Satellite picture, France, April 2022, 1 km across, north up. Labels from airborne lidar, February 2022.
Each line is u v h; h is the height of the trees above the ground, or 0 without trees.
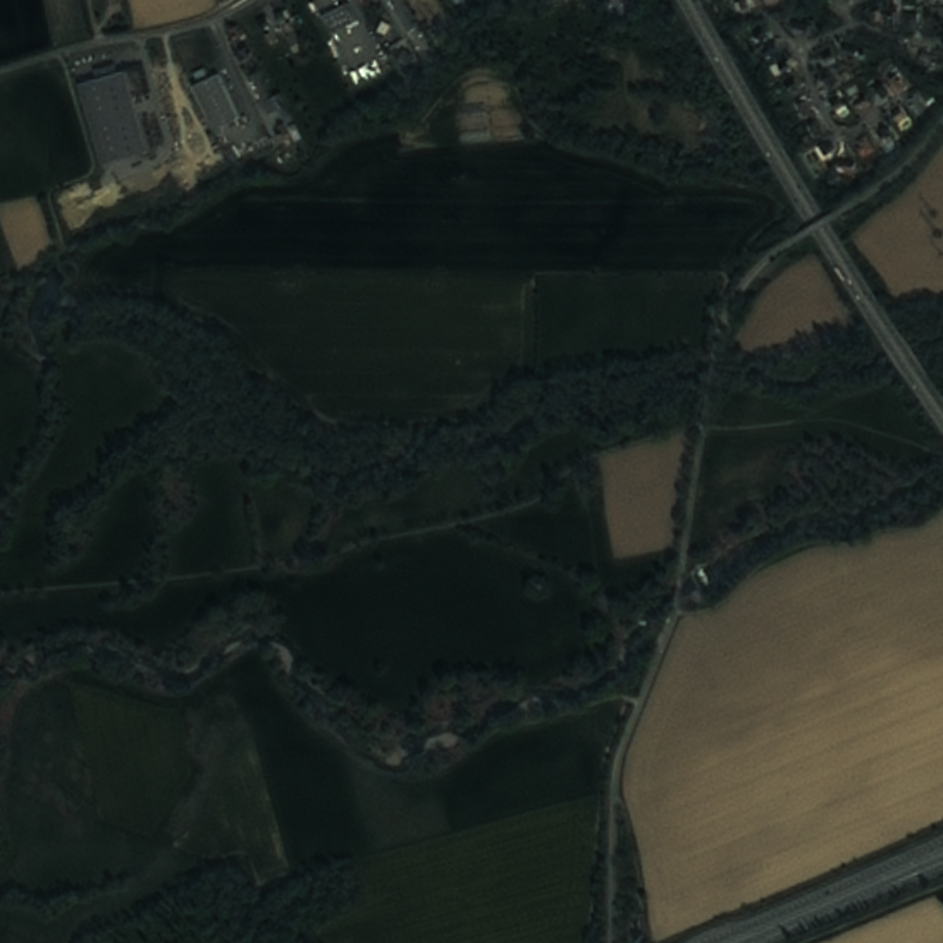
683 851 0
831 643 0
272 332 0
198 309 0
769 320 0
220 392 24
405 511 0
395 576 0
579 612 0
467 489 0
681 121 0
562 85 0
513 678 29
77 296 13
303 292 0
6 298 15
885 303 11
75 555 14
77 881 0
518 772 0
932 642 0
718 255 0
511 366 0
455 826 0
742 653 0
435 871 0
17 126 0
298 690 10
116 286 0
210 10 0
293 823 0
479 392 0
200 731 0
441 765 19
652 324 0
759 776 0
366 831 0
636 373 24
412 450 25
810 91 0
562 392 28
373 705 13
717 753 0
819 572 0
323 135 13
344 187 0
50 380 10
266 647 22
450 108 0
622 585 0
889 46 16
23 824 0
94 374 0
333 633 0
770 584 0
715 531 0
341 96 0
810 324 0
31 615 0
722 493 0
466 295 0
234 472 0
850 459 23
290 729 0
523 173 0
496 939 0
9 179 0
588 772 0
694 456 13
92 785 0
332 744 0
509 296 0
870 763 0
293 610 0
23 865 0
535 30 0
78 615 0
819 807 0
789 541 17
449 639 0
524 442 20
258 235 0
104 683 0
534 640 0
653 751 0
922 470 17
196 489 11
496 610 0
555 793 0
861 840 0
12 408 0
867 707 0
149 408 0
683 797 0
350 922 0
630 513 0
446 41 20
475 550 0
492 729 10
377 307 0
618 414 25
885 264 0
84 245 17
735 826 0
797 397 19
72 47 0
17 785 0
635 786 0
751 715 0
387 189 0
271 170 20
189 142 0
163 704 0
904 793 0
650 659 20
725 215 0
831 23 18
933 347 25
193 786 0
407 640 0
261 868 0
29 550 0
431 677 0
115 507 0
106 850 0
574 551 0
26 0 0
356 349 0
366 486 28
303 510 0
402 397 0
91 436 0
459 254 0
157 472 22
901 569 0
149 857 0
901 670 0
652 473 0
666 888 0
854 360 20
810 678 0
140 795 0
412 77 17
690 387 25
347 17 0
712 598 11
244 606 15
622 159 11
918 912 0
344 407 0
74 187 0
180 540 0
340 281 0
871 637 0
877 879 0
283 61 0
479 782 0
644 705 0
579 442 0
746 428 0
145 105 0
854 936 0
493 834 0
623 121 0
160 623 0
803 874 0
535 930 0
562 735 0
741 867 0
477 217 0
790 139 10
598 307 0
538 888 0
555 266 0
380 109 21
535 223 0
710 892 0
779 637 0
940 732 0
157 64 0
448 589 0
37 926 0
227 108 0
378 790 0
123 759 0
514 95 0
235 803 0
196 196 14
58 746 0
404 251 0
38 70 0
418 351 0
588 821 0
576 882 0
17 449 0
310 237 0
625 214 0
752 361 16
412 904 0
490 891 0
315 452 28
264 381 18
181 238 0
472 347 0
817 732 0
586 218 0
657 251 0
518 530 0
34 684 9
